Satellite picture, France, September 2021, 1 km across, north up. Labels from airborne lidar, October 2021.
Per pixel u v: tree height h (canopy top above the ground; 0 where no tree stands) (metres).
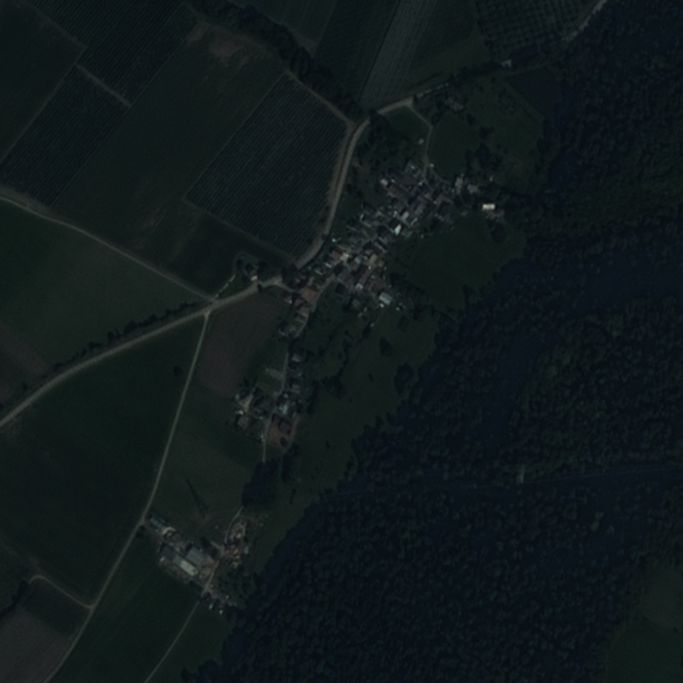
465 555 29
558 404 27
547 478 11
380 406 0
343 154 0
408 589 23
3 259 0
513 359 25
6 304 0
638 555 27
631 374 24
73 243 0
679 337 21
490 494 7
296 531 0
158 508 0
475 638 28
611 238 32
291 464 17
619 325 27
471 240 0
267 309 0
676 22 19
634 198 32
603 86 29
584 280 35
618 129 25
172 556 0
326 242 10
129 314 0
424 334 0
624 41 10
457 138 0
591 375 10
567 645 29
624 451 16
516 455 23
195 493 0
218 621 0
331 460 0
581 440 25
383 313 0
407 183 0
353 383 0
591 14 0
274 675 26
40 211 0
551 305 28
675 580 0
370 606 30
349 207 0
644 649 0
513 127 0
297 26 0
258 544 0
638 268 25
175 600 0
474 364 18
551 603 24
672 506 20
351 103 15
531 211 23
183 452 0
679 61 14
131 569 0
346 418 0
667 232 29
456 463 36
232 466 0
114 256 0
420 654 29
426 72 0
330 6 0
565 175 26
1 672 0
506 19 16
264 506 21
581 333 22
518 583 32
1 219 0
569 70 13
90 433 0
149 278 0
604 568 33
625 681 0
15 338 0
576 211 27
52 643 0
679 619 0
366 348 0
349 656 24
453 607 30
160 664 0
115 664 0
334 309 0
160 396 0
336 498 6
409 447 25
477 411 35
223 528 0
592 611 20
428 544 28
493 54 10
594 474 7
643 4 13
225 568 0
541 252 23
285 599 23
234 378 0
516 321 35
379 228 0
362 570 29
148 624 0
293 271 13
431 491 26
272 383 0
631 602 17
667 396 19
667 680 0
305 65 21
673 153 9
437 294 0
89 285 0
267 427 0
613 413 40
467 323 13
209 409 0
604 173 26
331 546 28
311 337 0
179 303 0
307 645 30
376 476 27
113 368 0
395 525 32
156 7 6
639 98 27
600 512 17
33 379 0
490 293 0
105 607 0
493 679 29
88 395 0
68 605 0
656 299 13
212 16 23
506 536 25
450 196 12
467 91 0
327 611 31
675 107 22
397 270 0
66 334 0
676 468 6
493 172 16
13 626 0
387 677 25
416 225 0
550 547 19
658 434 21
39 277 0
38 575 0
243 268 7
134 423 0
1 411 11
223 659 0
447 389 28
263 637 28
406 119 0
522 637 36
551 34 12
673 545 16
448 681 27
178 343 0
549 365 35
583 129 29
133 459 0
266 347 0
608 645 21
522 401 33
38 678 0
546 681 25
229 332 0
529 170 0
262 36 21
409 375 17
